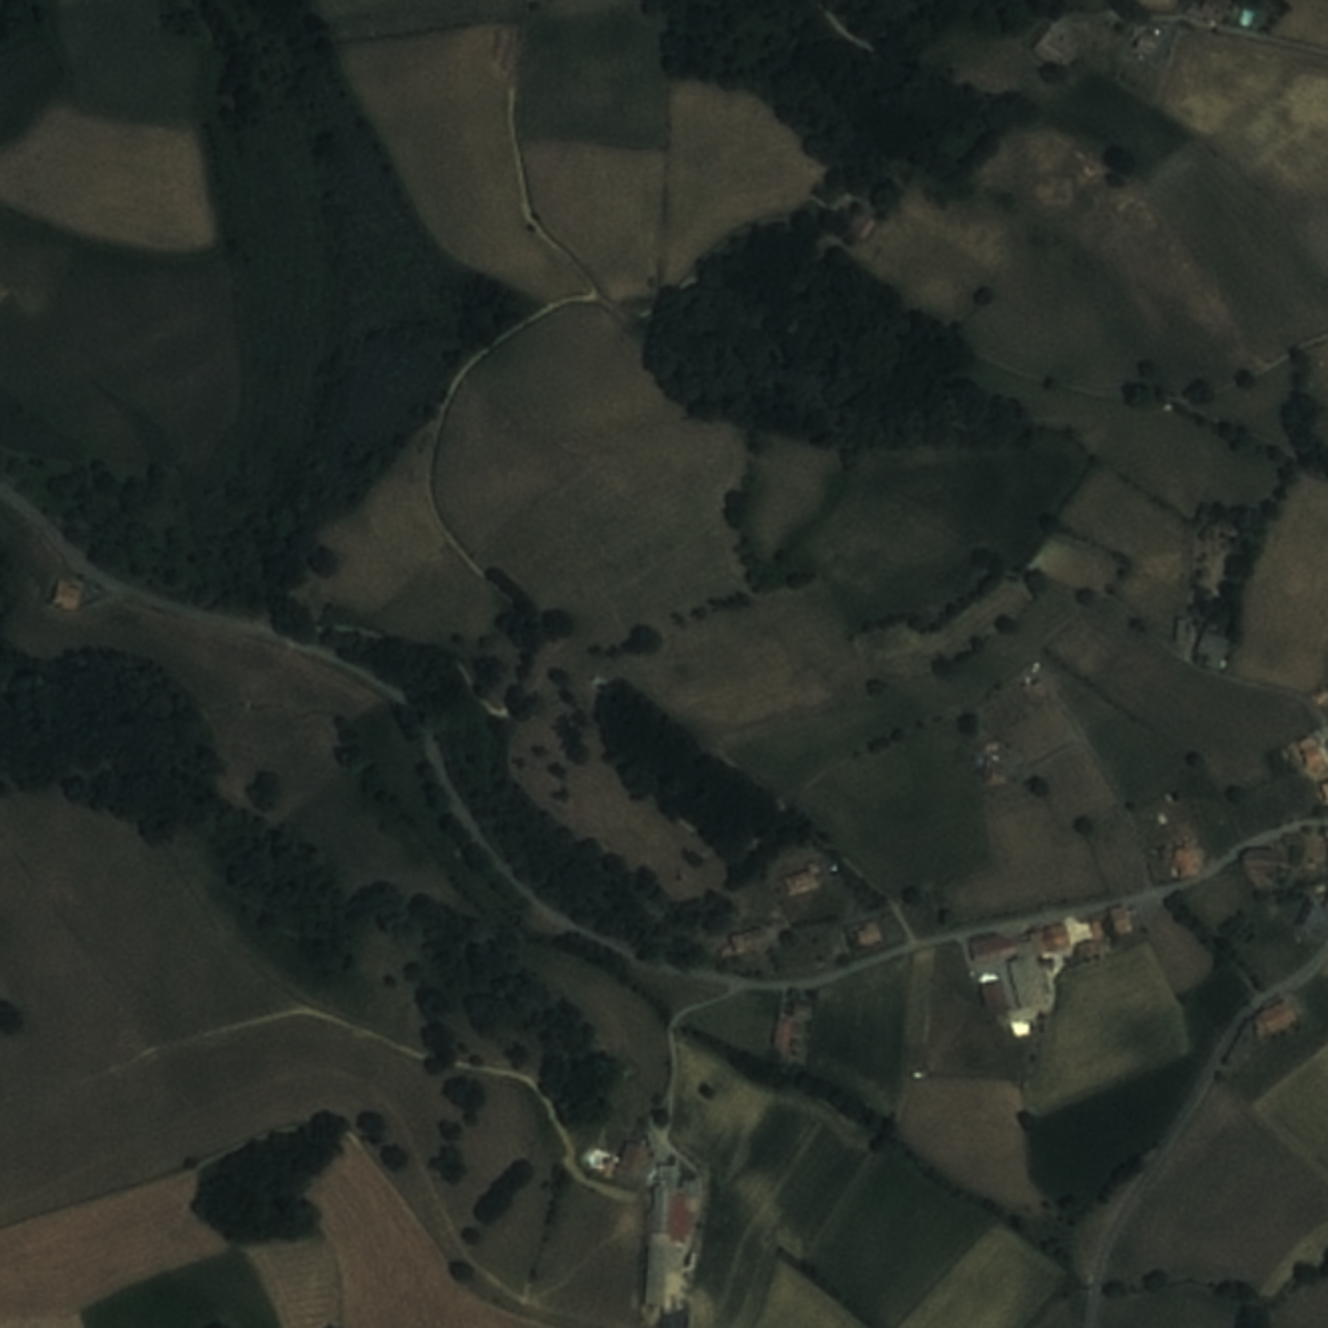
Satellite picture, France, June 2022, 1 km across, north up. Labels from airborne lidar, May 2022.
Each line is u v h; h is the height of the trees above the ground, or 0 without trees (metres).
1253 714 0
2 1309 0
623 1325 0
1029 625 0
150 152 0
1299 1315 0
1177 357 0
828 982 0
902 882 0
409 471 0
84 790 18
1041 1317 0
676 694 0
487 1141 0
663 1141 0
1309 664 0
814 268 19
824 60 15
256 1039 0
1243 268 0
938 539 0
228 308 0
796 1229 0
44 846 0
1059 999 0
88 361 0
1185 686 0
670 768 13
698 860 13
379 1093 0
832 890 0
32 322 0
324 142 16
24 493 13
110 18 0
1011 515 0
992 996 0
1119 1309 0
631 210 0
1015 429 19
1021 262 0
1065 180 0
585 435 0
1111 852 0
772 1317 0
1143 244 0
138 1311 0
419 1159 0
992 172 0
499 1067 0
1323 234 0
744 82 8
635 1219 0
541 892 8
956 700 0
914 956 0
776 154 0
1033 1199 0
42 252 0
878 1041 0
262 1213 22
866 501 0
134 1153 0
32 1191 0
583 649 0
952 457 0
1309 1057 0
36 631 0
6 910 0
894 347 29
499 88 0
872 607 0
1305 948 0
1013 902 0
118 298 0
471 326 12
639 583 0
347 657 16
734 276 21
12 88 0
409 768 0
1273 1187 0
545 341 0
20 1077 0
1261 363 0
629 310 0
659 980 0
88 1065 0
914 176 0
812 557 0
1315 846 0
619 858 11
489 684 18
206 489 9
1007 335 0
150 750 26
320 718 0
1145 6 9
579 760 16
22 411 8
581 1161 0
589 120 0
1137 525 0
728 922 16
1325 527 0
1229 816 0
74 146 0
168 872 0
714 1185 0
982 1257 0
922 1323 0
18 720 29
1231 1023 0
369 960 0
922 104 12
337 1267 0
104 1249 0
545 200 0
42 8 9
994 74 0
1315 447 17
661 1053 0
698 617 13
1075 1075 0
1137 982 0
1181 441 0
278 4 20
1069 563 0
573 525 0
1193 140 0
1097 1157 0
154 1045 0
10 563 10
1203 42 0
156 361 0
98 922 0
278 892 10
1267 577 0
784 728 0
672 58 16
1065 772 0
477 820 10
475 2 0
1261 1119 0
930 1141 0
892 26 29
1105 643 0
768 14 9
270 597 11
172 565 9
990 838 0
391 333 6
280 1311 0
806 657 0
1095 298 0
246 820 12
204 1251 0
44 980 0
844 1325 0
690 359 15
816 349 28
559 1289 0
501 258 0
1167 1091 0
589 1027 12
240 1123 0
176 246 0
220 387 0
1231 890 0
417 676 18
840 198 0
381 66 0
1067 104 0
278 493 9
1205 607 18
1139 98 0
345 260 7
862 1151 0
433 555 0
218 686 0
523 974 9
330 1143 17
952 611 11
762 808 17
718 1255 0
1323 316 0
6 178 0
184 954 0
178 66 0
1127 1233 0
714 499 0
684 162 0
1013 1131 0
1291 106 0
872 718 0
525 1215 0
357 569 0
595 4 0
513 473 0
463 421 0
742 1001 0
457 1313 0
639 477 0
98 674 28
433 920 18
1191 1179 0
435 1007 17
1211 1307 0
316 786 0
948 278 0
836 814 0
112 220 0
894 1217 0
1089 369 0
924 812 0
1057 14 16
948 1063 0
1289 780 0
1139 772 0
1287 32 0
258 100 17
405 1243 0
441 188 0
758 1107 0
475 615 0
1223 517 14
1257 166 0
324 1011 0
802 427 20
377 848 0
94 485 10
